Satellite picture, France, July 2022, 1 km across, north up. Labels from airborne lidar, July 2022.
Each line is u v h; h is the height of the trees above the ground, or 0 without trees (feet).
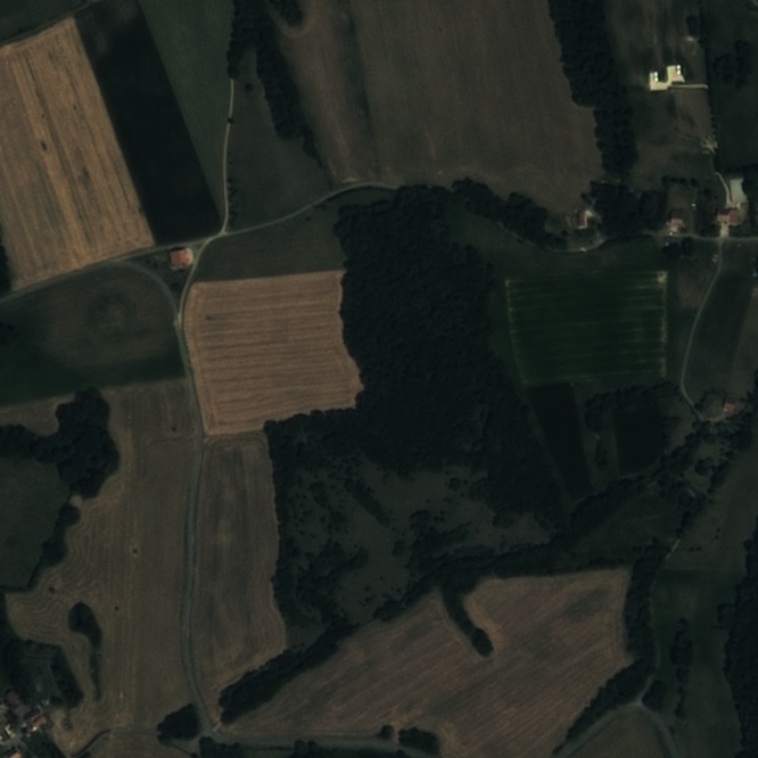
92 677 0
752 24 0
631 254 0
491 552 23
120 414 0
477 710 0
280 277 0
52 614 0
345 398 0
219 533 0
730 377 0
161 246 0
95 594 0
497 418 52
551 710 0
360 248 49
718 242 0
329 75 0
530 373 0
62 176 0
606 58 75
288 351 0
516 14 0
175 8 0
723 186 0
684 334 0
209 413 0
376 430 57
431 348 62
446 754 0
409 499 0
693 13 0
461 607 23
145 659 0
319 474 19
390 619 20
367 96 0
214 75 0
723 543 0
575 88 37
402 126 0
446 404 71
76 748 0
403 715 0
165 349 0
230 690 33
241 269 0
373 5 0
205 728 0
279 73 51
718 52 0
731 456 48
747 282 0
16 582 0
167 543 0
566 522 59
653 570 58
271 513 0
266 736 0
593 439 0
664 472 33
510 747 0
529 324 0
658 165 0
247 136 0
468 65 0
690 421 0
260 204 0
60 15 0
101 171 0
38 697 0
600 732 0
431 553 28
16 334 52
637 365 0
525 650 0
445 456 39
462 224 0
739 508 0
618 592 0
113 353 0
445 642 0
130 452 0
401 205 64
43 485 0
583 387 0
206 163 0
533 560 41
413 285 48
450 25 0
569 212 0
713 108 22
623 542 0
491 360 68
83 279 0
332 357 0
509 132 0
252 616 0
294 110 46
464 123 0
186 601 0
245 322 0
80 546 0
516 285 0
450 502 20
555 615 0
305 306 0
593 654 0
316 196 0
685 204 0
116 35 0
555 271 0
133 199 0
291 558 27
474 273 63
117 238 0
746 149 0
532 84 0
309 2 0
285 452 44
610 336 0
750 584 57
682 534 55
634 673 52
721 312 0
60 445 21
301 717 0
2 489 0
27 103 0
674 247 55
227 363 0
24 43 0
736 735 0
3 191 0
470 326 56
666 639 0
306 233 0
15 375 0
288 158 0
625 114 84
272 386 0
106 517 0
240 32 46
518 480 35
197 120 0
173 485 0
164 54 0
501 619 0
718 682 0
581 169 0
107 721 0
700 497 32
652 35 0
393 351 49
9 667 51
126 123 0
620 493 55
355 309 50
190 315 0
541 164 0
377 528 0
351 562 31
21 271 0
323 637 29
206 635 0
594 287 0
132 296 0
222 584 0
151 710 0
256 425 0
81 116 0
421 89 0
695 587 0
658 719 0
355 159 0
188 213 0
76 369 0
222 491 0
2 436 72
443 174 0
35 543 0
